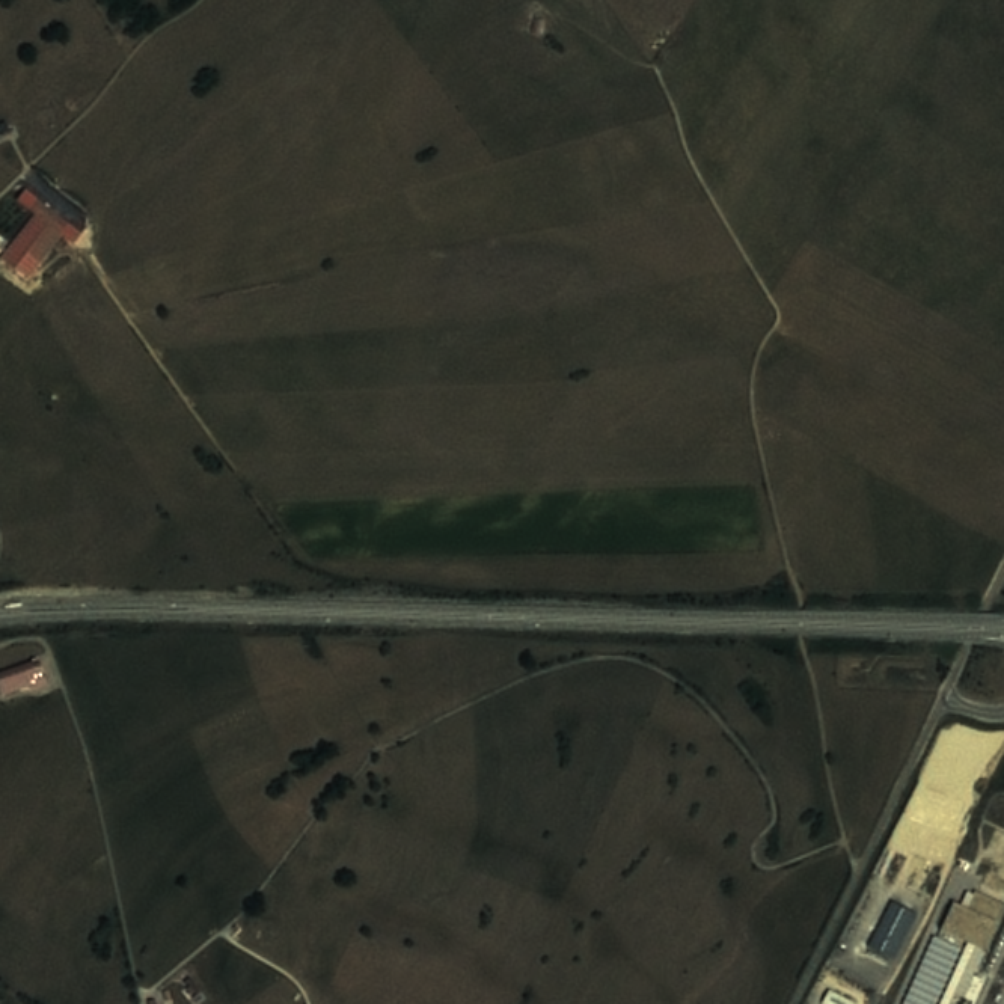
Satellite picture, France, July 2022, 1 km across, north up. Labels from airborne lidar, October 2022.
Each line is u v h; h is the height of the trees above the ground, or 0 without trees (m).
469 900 0
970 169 0
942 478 0
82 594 0
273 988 0
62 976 0
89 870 0
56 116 0
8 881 0
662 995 0
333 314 0
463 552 0
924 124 0
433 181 0
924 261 0
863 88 0
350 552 0
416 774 0
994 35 0
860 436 0
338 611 0
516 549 0
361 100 0
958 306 0
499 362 0
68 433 0
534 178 0
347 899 0
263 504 0
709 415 0
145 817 0
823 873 0
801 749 0
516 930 0
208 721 0
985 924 0
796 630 0
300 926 0
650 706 0
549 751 0
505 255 0
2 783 0
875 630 0
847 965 0
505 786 0
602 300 0
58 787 0
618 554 0
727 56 0
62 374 0
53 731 0
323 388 0
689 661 0
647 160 0
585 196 0
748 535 0
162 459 0
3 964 0
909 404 0
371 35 0
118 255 0
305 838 0
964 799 0
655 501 0
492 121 0
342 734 0
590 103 0
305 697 0
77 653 0
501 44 0
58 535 0
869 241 0
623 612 0
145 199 0
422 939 0
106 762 0
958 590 0
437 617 0
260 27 0
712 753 0
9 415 0
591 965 0
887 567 0
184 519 0
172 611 0
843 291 0
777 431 0
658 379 0
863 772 0
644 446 0
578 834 0
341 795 13
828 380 0
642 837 0
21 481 0
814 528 0
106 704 0
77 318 0
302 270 0
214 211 0
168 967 0
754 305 0
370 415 0
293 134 0
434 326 0
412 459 0
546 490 0
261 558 0
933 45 0
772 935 0
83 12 0
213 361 0
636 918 0
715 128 0
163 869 0
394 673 0
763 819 0
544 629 0
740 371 0
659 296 0
